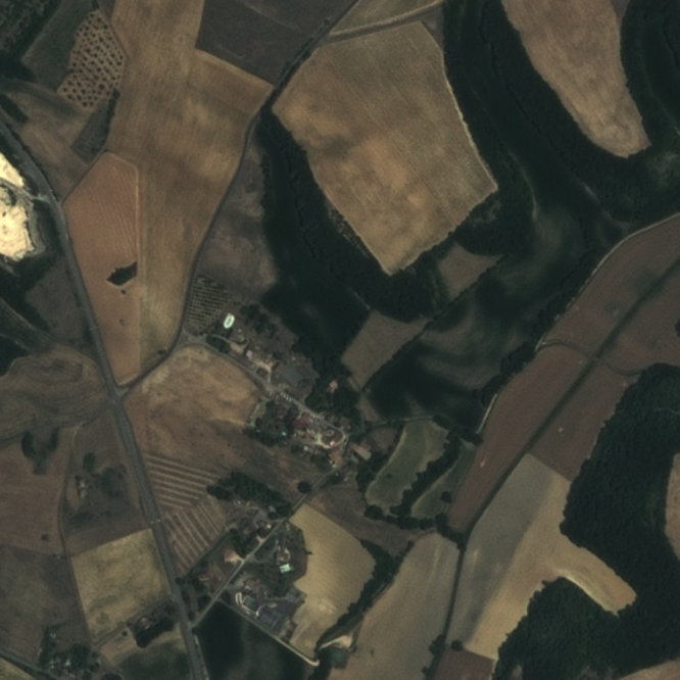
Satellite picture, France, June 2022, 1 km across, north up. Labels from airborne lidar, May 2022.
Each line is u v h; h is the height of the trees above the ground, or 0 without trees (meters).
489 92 0
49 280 0
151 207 0
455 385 0
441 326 0
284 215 0
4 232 0
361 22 0
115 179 0
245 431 9
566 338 0
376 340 0
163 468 0
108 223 0
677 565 11
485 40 15
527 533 0
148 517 0
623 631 16
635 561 22
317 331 0
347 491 0
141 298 0
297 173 14
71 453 0
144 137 0
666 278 0
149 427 0
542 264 0
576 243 0
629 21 12
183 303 0
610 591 0
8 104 8
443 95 0
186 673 0
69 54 0
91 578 0
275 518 15
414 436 0
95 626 0
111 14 0
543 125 17
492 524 0
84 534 0
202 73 0
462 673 0
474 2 0
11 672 0
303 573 0
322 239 20
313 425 0
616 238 0
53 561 0
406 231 0
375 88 0
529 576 0
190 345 0
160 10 0
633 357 0
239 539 10
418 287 12
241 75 0
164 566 0
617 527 22
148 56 0
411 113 0
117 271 7
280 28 0
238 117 0
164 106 0
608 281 0
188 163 0
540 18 0
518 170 10
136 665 0
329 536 0
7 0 7
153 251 0
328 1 0
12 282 7
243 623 0
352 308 0
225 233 0
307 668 0
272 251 0
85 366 0
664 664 9
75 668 12
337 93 0
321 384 10
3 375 6
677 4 11
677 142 7
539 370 0
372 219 0
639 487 12
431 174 0
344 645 0
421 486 11
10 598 0
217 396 0
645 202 13
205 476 0
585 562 0
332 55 0
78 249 0
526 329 0
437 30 0
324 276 0
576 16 0
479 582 0
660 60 0
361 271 17
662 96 0
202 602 12
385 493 0
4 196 0
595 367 0
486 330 0
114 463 0
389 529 0
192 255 0
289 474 0
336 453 0
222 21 0
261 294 0
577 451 0
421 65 0
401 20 0
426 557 0
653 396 8
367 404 0
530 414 0
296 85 0
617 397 0
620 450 13
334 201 0
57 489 0
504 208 11
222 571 0
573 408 0
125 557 0
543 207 0
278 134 15
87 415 0
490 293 0
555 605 7
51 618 0
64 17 0
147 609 0
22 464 0
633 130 0
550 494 0
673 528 0
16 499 0
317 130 0
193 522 0
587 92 0
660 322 0
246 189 0
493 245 13
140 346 0
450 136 0
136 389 0
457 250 0
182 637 0
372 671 0
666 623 19
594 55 0
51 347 0
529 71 13
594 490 14
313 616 0
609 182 11
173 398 0
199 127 0
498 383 15
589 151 19
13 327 0
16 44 9
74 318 0
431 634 0
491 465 0
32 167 0
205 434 0
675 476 0
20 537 0
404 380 0
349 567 0
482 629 0
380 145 0
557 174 0
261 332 13
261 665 0
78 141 0
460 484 0
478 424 0
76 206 0
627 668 10
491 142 16
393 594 0
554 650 8
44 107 0
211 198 0
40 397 0
